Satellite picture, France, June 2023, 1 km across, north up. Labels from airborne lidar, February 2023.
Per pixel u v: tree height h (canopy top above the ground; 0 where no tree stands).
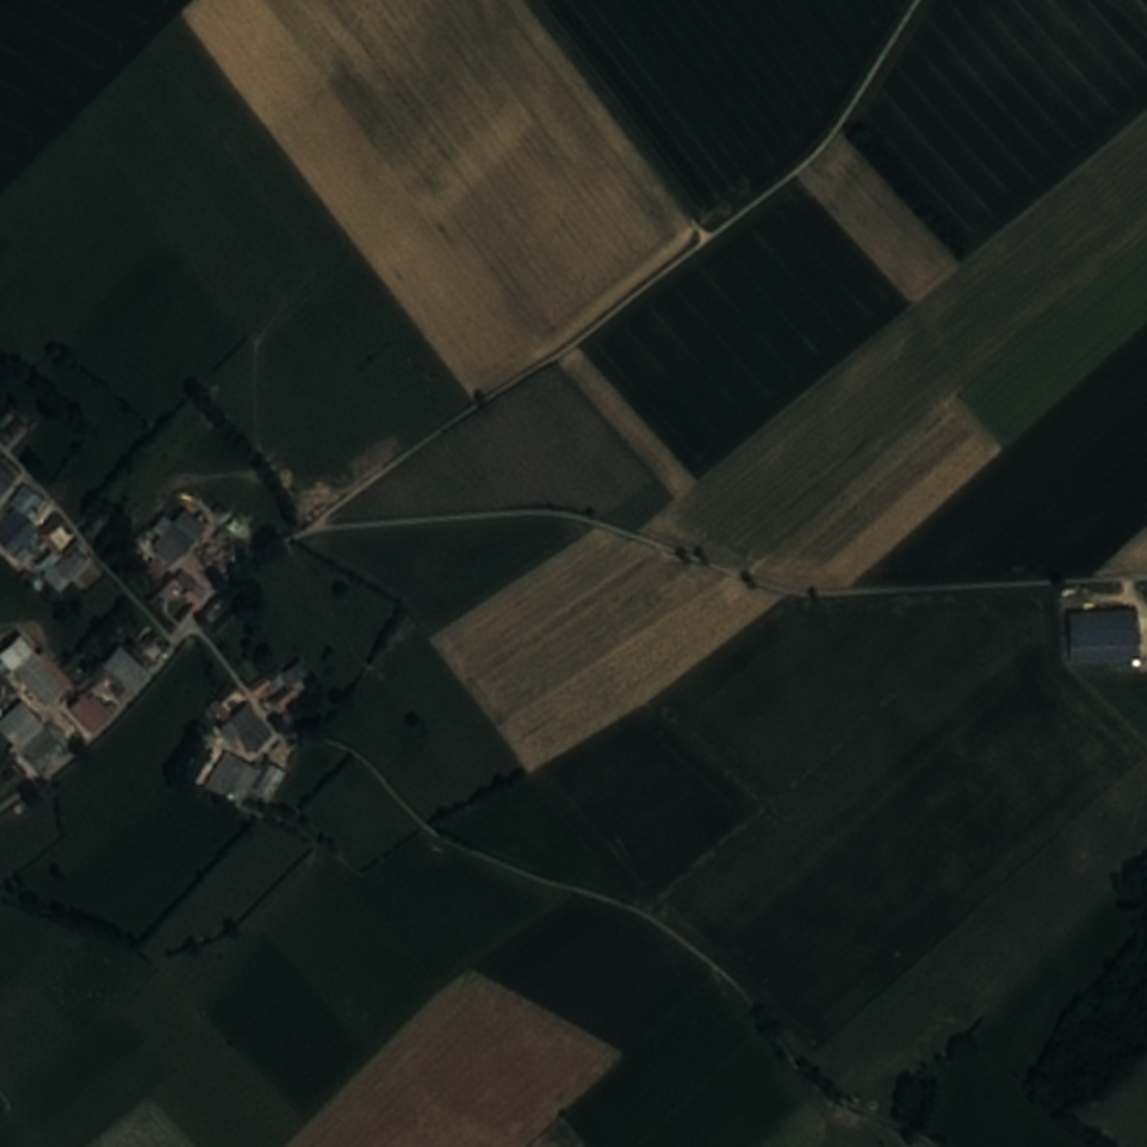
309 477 0
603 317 0
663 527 0
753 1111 0
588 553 0
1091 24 0
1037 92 0
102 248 0
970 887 0
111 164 0
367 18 0
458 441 0
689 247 0
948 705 0
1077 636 0
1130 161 0
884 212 0
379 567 0
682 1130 0
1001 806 0
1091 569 0
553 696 0
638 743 0
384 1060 0
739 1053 0
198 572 0
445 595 0
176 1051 0
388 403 0
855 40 0
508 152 0
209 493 0
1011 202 0
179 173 0
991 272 0
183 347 0
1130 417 0
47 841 0
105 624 10
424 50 0
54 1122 0
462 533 0
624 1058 0
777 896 0
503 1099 0
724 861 0
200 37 0
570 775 0
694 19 0
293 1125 0
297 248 0
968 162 0
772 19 0
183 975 0
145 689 0
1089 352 0
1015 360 0
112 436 0
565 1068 0
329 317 0
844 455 0
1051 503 0
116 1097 0
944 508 0
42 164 0
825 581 0
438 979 0
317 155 0
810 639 0
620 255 0
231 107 0
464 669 0
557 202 0
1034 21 0
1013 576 0
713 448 0
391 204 0
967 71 0
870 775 0
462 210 0
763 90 0
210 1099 0
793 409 0
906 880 0
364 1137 0
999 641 0
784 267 0
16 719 0
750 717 0
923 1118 14
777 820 0
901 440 0
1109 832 0
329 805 0
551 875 0
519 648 0
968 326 0
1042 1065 10
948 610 0
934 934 0
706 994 0
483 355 0
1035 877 0
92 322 0
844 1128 0
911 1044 0
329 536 0
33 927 0
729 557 0
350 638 0
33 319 0
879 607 0
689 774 0
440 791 0
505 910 0
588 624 0
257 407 0
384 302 0
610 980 0
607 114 0
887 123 0
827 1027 0
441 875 0
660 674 0
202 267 0
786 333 0
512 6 0
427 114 0
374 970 0
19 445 0
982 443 0
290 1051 0
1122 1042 13
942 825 0
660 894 0
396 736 0
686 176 0
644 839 0
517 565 0
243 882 0
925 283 0
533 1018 0
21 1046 0
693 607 0
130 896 0
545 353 0
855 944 0
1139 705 0
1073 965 0
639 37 0
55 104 0
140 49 0
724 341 0
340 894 0
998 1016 0
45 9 0
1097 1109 0
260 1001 0
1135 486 0
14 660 0
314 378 0
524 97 0
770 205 0
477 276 0
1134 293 0
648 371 0
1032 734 0
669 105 0
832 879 0
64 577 0
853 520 0
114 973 0
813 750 0
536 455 0
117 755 0
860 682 0
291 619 0
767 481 0
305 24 0
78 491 0
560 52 0
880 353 0
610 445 0
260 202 0
